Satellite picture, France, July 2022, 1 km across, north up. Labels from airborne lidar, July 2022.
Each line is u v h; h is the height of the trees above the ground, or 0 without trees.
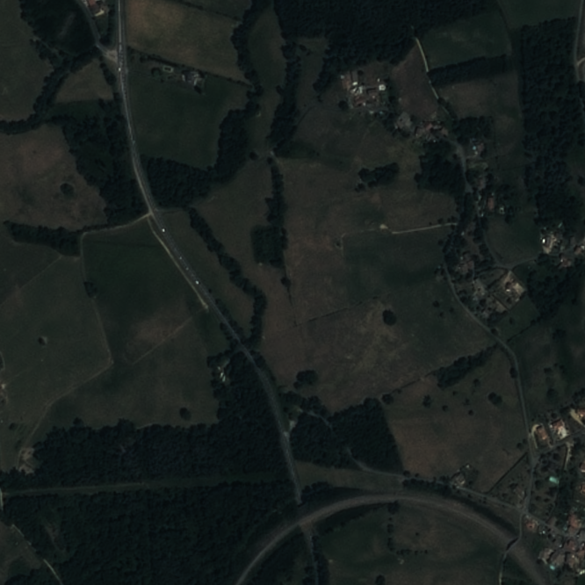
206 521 15
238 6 0
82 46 8
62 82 12
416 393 0
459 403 0
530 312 0
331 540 0
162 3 0
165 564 20
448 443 0
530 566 0
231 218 0
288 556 21
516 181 0
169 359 0
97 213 0
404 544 0
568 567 7
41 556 16
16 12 0
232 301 0
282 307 0
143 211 18
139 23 0
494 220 0
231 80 7
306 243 0
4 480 20
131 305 0
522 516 0
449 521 0
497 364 0
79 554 15
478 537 0
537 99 16
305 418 16
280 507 24
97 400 0
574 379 0
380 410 17
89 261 0
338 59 12
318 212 0
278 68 0
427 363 0
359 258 0
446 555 0
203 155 0
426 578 0
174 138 0
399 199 0
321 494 19
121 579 16
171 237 0
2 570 0
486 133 14
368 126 0
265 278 0
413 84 0
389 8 16
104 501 16
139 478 20
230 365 7
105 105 28
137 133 0
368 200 0
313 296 0
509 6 0
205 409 0
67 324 0
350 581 0
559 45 13
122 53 0
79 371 0
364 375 0
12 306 0
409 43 18
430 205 0
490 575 0
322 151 0
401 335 0
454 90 0
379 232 0
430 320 0
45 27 9
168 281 0
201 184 26
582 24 0
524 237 0
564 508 9
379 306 0
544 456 10
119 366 0
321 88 13
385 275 0
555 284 17
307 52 13
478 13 16
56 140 0
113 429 6
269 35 0
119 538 18
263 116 0
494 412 0
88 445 27
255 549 0
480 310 7
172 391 0
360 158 0
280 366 0
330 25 17
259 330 14
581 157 0
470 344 0
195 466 19
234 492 24
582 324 0
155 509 21
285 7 25
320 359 0
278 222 19
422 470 0
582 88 17
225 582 15
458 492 8
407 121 0
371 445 10
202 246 0
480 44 0
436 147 12
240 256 0
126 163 10
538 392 0
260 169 0
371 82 0
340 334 0
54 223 0
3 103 0
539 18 0
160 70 14
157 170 16
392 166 7
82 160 12
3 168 0
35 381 0
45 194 0
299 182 0
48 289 0
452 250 10
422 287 0
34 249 0
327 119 0
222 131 17
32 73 0
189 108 0
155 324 0
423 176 6
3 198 0
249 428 21
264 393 13
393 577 0
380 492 0
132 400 0
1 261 0
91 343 0
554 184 12
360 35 21
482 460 0
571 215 21
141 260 0
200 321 0
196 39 0
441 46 0
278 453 18
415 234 0
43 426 0
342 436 13
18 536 0
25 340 0
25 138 0
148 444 20
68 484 14
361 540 0
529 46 13
